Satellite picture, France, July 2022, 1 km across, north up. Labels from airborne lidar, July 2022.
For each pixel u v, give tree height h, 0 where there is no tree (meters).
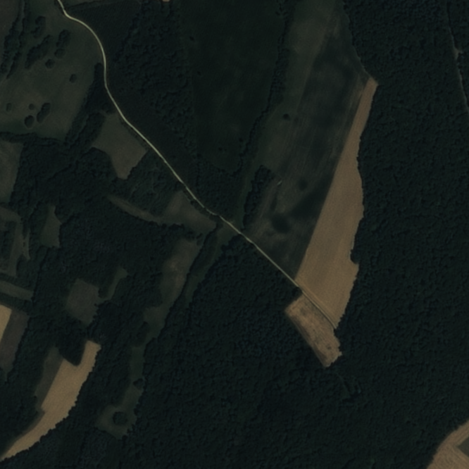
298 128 0
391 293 26
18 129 0
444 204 21
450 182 19
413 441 13
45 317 8
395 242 22
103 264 23
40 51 9
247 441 16
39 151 21
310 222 0
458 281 19
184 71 20
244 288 22
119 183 17
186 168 5
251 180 0
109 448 20
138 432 23
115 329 15
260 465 23
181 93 25
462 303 19
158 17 26
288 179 0
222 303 22
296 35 0
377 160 15
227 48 0
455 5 22
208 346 25
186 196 11
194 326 23
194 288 0
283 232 0
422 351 21
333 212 0
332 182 0
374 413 22
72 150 16
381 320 23
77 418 14
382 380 23
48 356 13
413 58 20
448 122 21
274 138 0
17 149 0
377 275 24
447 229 18
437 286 21
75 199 22
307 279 0
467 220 23
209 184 20
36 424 0
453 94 21
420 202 19
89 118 8
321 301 0
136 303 8
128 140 0
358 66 0
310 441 24
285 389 21
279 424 20
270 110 17
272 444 17
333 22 0
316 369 17
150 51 24
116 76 6
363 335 24
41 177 21
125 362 14
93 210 23
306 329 0
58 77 0
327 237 0
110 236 22
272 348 23
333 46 0
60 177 22
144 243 23
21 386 17
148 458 24
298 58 0
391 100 19
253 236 0
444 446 0
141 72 24
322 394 25
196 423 23
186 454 23
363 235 20
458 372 9
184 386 24
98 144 0
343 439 23
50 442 20
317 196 0
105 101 8
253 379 25
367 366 22
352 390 31
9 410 17
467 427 0
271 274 26
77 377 0
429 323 22
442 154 17
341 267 0
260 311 18
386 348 18
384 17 23
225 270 24
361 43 21
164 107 21
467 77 17
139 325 22
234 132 0
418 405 16
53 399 0
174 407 22
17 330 0
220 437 25
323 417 25
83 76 0
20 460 21
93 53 0
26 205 15
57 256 9
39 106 0
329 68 0
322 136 0
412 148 20
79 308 0
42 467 22
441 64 18
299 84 0
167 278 0
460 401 18
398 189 21
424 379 19
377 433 22
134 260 20
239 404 26
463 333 20
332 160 0
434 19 29
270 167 0
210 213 10
